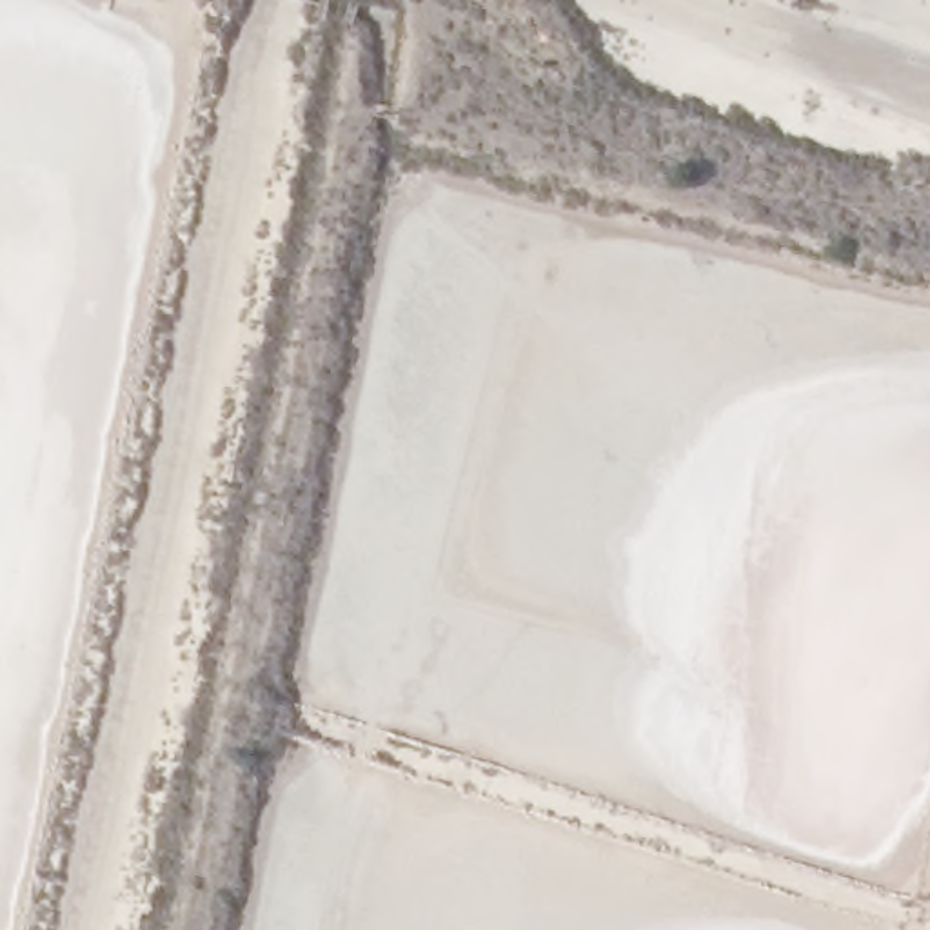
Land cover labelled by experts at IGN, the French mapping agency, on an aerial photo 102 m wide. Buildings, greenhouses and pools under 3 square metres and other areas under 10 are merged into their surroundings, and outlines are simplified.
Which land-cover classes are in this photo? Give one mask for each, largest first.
<instances>
[{"label":"pervious surface","instance_id":"1","mask_svg":"<svg viewBox=\"0 0 930 930\"><path fill-rule=\"evenodd\" d=\"M73 11L87 25L138 51L149 76L153 109L171 127L163 156L153 171V189L138 196V211L127 225V280L109 389L94 432L87 505L73 512L69 534L62 530L58 538H51V545H40V559L51 581L44 607L51 639L40 698L29 708V716H22V741L15 759L18 781L0 832V930H29L33 890H51V879L36 876V861L51 821L54 777L62 774V748L69 745L65 712L73 701V636L80 625H87L102 559L116 552L109 527L116 519H127L134 509V498L116 501L113 494L120 490V461L138 458V440L131 432V403L149 363L156 280L171 258L167 233L171 225H189L193 214L185 203H178V174L185 160V142L196 134L193 109L200 102V73L203 65H211L203 54L214 40L196 0H80ZM305 29V0H254L251 18L233 47L229 84L218 105V138L211 145L203 225L196 233V247L185 251L189 294L182 305V320L174 327V367L163 385V440L153 458V487L127 563V610L124 632L116 639L109 712L94 748L87 796L73 825L76 836L73 868L62 897V930H138L149 908L127 890V876L142 872V865L134 861V850L142 846L138 799L149 774V756H178L185 741V712L200 687V643L207 636V614L214 610L207 538L200 534L196 519L203 476H214L211 447L218 440L222 396L229 381H236V367L251 356L262 345V338L254 327L240 323L243 283L258 247L276 254L291 214V193L276 185V196H265V174L272 171L283 131L294 120L302 124L309 91L291 76V44ZM578 7L599 25L603 51L632 76L672 94L705 98L716 109L741 105L752 116L774 120L788 134H803L832 149L872 153L890 160L901 153L930 156V0H578ZM360 363L345 392V414L338 429L341 440L331 472L323 552L312 563L305 639L294 665L302 719L320 734L316 741L298 737V748L276 763L254 850V894L247 901L240 930H930V291L890 287L883 283V276H861L854 265L839 262H806L788 251L734 247L698 233L643 222L636 214H596L585 207H563V200L541 203L530 196H512L483 178H458L447 171H407L400 178H389L374 251V276L367 280L363 320L356 331Z\"/></svg>","mask_w":930,"mask_h":930},{"label":"herbaceous vegetation","instance_id":"2","mask_svg":"<svg viewBox=\"0 0 930 930\"><path fill-rule=\"evenodd\" d=\"M214 40L203 54L211 65H203L200 73V102L193 109L196 134L185 142V160L178 174V203H185L193 214L189 225H171L167 233L171 258L156 280L149 363L131 403V432L138 440V458L120 461V490L113 494L116 501L134 498V509L127 519H116L109 527L116 552L102 559L87 625H80L73 636V701L65 712L69 745L62 748V774L54 777L51 821L36 861V876L51 879V890H33L29 930H62V897L73 868L76 836L73 825L87 796L94 748L109 712L116 639L124 632L127 610V563L153 487V458L163 440V385L174 367V327L182 320V305L189 294L185 251L196 247V233L203 225L211 145L218 138V105L229 84L233 47L251 18L254 0H196ZM331 0H305V29L291 44V76L309 91L320 65V40ZM371 11H356L352 4H345L341 15L338 80L327 113L320 182L312 185V214L305 236L309 243L298 265V287L291 291V331L276 367V400L265 429L262 480L254 490V516L240 552V581L233 592L225 650L218 661V694L211 708L207 745L196 763L193 828L182 846L178 894L171 901L167 930H211L214 901L222 897V890L236 886L240 876V839L233 836V821L243 767L236 763L233 748H247L258 737L262 723V690L251 676L262 668V654L272 639L280 563L287 559L294 534V523L287 516V487L302 483L312 450L309 396H316L320 367L327 360H338L327 320L334 312L338 251L349 236L352 185L371 171L374 160V120H389L392 127L389 178H400L407 171H447L458 178H483L512 196H530L541 203L563 200V207H585L596 214H636L643 222L698 233L734 247L788 251L806 262H839L854 265L861 276H883V283L890 287L930 291V156L901 153L890 160V185H879L876 174L861 178L832 163H817L803 149L752 142L734 127L647 105L625 94L614 80H607V73H599L589 62V54L570 36V25L563 22L559 7L541 0H371ZM305 142L302 124L294 120L283 131L272 171L265 174V196H276V185L291 193V182L298 174V153ZM276 276V254L258 247L243 283L240 323L254 327L262 338ZM251 356L236 367V381H229L222 396L218 440L211 447L214 476H203L196 519L200 534L207 538L222 534V509L229 505V480L243 443ZM178 756H149V774L138 799L142 846L134 850V861L142 865V872L127 876V890L149 908L160 886L153 865L156 828L163 803L174 792Z\"/></svg>","mask_w":930,"mask_h":930},{"label":"water","instance_id":"3","mask_svg":"<svg viewBox=\"0 0 930 930\"><path fill-rule=\"evenodd\" d=\"M80 0H0V832L18 781L15 759L22 741V716H29V708L40 698L51 639L44 607L51 581L40 559V545H51V538H58L62 530L69 534L73 512L87 505L94 432L109 389L127 280V225L138 211V196L153 189V171L163 156L171 127L153 109L149 76L138 51L87 25L73 11Z\"/></svg>","mask_w":930,"mask_h":930},{"label":"brushwood","instance_id":"4","mask_svg":"<svg viewBox=\"0 0 930 930\"><path fill-rule=\"evenodd\" d=\"M345 4H352L356 11H371V0H331L320 40V65L309 91L302 124L305 142L298 153V174L291 182V214L276 254V276L262 338V345L251 356L243 443L229 480V505L222 509V534L207 538L214 610L207 614V636L200 643V687L185 712V741L178 756L174 792L163 803L156 828L153 865L160 886L138 930H167L171 901L178 894L182 846L193 828L196 763L207 745L211 708L218 694V661L225 650L233 592L240 581V552L254 516V490L262 480L265 429L276 400V367L291 331V291L298 287V265L309 243L305 236L312 214V185L320 182L327 113L338 80L341 15ZM559 7L563 22L570 25V36L589 54V62L599 73H607V80H614L625 94L647 105L734 127L752 142L803 149L817 163H832L861 178L876 174L879 185H890V160L872 153L832 149L803 134H788L774 120L752 116L741 105L716 109L705 98L672 94L632 76L603 51L599 25L578 7V0H541ZM392 127L389 120H374V160L371 171L352 185L349 236L338 251L334 312L327 320L338 360H327L320 367L316 396H309L312 450L302 483L287 487V516L294 523V534L287 559L280 563L272 639L262 654V668L251 676L262 690V723L258 737L247 748H233L236 763L243 767L233 821V836L240 839V876L236 886L222 890V897L214 901L211 930H240L247 901L254 894V850L276 763L298 748V737L316 741L320 734L302 719L294 665L305 639L312 563L323 552L331 472L341 440L338 429L345 414V392L360 363L356 331L363 320L367 280L374 276V251L389 178Z\"/></svg>","mask_w":930,"mask_h":930}]
</instances>
